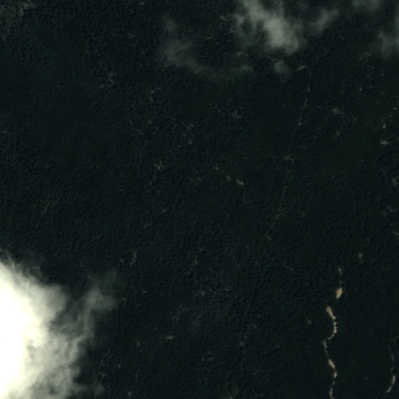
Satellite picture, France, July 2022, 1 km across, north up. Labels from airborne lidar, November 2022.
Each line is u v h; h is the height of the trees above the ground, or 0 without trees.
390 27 9
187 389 22
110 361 22
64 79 27
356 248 17
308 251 22
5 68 19
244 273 15
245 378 21
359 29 17
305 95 14
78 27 14
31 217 18
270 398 23
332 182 17
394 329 25
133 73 12
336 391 22
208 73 17
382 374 20
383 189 20
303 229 18
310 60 13
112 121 13
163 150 15
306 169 18
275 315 22
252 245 20
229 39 14
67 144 18
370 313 26
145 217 16
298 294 17
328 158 13
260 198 18
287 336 21
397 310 26
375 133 14
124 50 23
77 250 14
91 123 13
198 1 19
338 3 16
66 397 21
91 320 16
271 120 11
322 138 14
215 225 21
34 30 26
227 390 11
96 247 20
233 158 15
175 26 15
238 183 21
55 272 14
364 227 20
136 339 16
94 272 13
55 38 20
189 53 16
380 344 27
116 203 10
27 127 17
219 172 16
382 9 13
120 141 9
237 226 20
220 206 16
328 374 19
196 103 12
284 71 12
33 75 18
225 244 21
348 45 10
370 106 10
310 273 22
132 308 13
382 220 20
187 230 18
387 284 22
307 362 16
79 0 19
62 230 16
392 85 16
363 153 18
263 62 13
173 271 26
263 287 27
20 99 24
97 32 18
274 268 18
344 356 25
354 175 18
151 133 15
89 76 30
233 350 13
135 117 18
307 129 18
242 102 16
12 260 13
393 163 23
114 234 16
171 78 19
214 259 16
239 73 18
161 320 14
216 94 14
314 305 26
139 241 14
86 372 20
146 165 14
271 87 14
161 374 17
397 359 27
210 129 24
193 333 18
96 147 15
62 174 16
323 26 16
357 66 14
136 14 9
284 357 22
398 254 25
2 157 16
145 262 22
